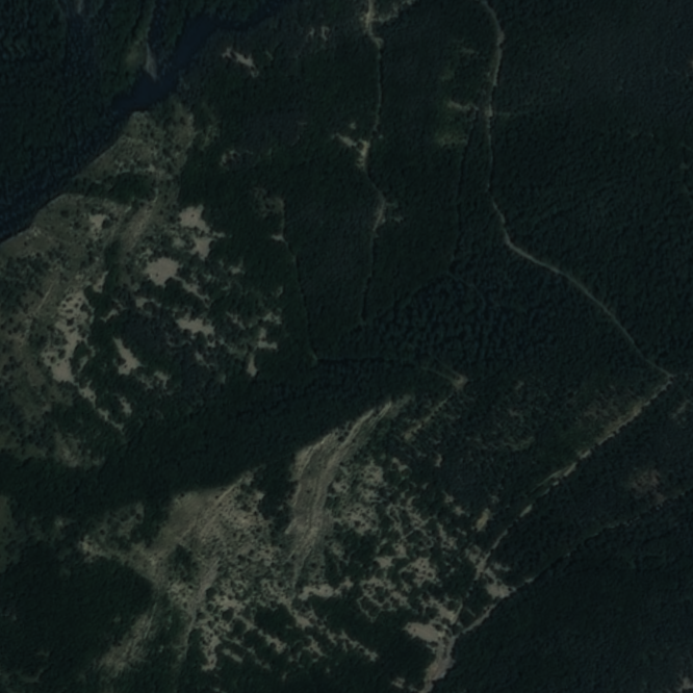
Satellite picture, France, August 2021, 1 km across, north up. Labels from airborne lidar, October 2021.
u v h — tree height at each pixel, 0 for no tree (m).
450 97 8
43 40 26
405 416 21
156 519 11
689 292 20
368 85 11
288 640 10
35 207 12
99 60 10
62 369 0
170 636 6
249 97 17
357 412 11
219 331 9
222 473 14
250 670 14
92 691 11
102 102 10
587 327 16
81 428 10
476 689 22
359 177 13
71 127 19
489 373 17
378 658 6
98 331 12
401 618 12
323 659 8
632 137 15
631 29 15
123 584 17
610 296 11
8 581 17
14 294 7
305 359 22
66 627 21
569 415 32
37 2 14
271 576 7
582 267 17
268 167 14
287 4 11
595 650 27
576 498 16
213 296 14
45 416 8
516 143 15
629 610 19
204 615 15
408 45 13
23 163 17
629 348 16
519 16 15
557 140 16
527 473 15
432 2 23
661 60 21
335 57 8
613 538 28
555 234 16
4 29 21
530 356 20
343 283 19
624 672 25
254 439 19
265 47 16
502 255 23
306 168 18
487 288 24
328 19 12
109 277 8
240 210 12
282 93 16
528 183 16
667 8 15
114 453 13
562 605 22
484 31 15
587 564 23
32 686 9
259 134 20
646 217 21
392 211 9
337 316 23
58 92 27
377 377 19
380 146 11
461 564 6
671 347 20
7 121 24
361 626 10
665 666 20
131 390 7
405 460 21
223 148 14
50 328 9
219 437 19
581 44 15
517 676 18
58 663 18
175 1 14
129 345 13
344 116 9
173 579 8
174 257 8
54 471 16
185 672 12
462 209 19
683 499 15
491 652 22
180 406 9
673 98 19
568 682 20
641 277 22
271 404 17
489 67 11
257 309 6
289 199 14
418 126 14
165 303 8
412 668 13
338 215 12
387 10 6
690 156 17
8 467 21
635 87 15
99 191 18
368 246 14
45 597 23
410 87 15
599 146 16
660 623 18
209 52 22
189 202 13
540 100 16
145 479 19
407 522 9
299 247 18
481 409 18
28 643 10
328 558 9
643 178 15
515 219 16
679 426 10
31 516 10
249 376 13
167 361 9
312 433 11
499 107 12
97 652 10
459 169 16
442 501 15
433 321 17
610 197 16
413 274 22
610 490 21
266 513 10
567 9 21
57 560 12
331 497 6
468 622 14
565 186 13
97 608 19
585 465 24
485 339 30
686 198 17
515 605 18
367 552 12
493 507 20
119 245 6
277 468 12
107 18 11
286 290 13
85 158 14
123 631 16
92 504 18
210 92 13
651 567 18
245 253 11
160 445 24
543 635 24
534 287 18
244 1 15
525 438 24
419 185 17
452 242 17
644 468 27
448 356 22
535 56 16
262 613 13
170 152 8
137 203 8
